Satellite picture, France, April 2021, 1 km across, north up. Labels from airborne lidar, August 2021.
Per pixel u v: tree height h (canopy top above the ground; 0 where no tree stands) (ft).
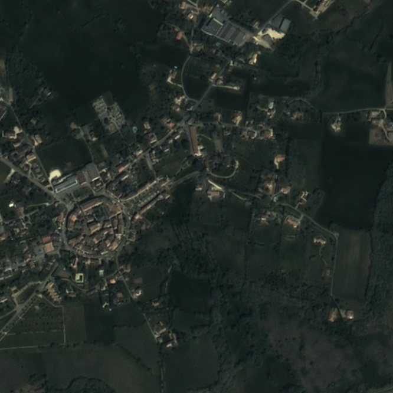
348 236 0
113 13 0
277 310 63
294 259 0
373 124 39
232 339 0
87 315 0
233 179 0
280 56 19
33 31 0
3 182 0
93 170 0
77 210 0
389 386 52
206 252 103
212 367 0
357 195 0
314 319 59
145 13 0
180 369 0
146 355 0
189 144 48
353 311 0
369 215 0
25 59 23
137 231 45
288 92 0
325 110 0
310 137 0
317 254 0
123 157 24
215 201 0
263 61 0
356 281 0
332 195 0
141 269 44
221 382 30
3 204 0
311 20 0
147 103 0
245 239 33
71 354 0
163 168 0
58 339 0
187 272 89
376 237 49
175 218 0
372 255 43
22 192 29
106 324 0
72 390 47
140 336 0
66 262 39
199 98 0
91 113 0
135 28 0
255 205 29
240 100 0
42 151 0
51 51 0
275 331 0
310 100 37
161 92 23
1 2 0
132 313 0
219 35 0
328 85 0
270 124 19
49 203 0
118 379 0
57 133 0
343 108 0
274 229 0
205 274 53
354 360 0
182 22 43
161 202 47
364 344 0
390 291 38
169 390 0
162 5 32
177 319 0
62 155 0
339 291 0
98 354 0
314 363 44
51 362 0
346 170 0
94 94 0
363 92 0
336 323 32
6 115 0
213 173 29
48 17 0
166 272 31
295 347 0
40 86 22
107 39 0
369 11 54
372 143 0
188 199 0
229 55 34
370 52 30
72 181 0
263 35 0
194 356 0
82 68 0
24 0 0
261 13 0
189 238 96
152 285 0
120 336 0
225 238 0
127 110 0
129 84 0
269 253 0
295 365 0
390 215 66
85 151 0
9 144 28
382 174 0
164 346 34
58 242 0
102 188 0
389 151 0
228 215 0
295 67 38
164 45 0
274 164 30
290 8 0
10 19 0
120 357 0
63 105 0
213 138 51
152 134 0
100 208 24
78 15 0
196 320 0
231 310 22
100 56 0
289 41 26
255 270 0
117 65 0
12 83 23
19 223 0
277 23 0
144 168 18
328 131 0
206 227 0
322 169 0
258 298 74
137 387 0
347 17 51
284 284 20
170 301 29
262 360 44
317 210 0
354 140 0
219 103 0
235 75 0
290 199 51
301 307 59
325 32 19
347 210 0
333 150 0
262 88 0
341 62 0
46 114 0
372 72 0
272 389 0
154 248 0
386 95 0
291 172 69
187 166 23
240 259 0
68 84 0
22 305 0
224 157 24
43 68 0
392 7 0
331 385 25
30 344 0
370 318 33
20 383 0
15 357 0
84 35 0
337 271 0
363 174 0
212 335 46
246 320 83
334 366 0
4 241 21
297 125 0
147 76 24
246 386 0
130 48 40
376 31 0
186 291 0
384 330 47
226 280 63
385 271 63
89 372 0
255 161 0
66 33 0
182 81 0
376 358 0
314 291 28
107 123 37
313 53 0
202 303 0
